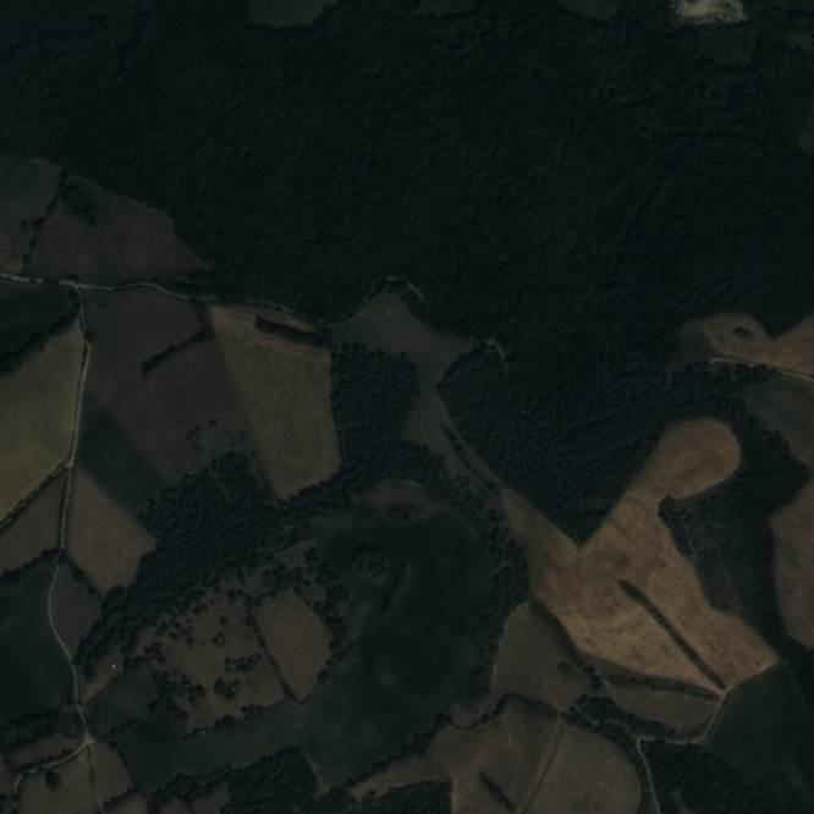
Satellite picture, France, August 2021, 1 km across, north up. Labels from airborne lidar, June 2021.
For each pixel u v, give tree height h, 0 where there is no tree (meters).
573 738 0
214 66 21
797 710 0
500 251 25
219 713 0
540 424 17
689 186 16
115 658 0
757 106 23
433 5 0
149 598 20
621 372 15
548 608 0
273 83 22
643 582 0
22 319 0
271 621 0
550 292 15
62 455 0
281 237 16
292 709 0
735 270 13
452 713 0
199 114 27
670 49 19
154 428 0
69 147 18
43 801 0
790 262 19
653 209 24
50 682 0
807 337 0
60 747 0
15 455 0
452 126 13
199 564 14
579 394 25
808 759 0
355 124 26
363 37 19
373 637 0
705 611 0
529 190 11
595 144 20
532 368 15
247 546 13
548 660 0
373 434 11
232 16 25
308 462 0
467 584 0
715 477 0
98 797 0
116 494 0
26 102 14
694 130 18
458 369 14
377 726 0
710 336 0
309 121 17
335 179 29
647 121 12
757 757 0
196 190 23
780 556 0
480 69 22
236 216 24
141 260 0
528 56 21
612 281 15
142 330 0
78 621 0
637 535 0
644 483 0
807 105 19
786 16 14
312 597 0
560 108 19
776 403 0
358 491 14
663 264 16
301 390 0
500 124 28
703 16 0
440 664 0
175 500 6
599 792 0
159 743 0
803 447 0
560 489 12
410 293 13
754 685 0
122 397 0
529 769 0
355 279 12
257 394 0
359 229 23
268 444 0
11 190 0
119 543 0
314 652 0
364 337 0
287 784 9
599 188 20
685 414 19
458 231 24
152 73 25
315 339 10
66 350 0
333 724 0
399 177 14
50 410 0
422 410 0
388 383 13
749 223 9
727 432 0
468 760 0
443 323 16
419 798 12
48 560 11
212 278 12
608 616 0
